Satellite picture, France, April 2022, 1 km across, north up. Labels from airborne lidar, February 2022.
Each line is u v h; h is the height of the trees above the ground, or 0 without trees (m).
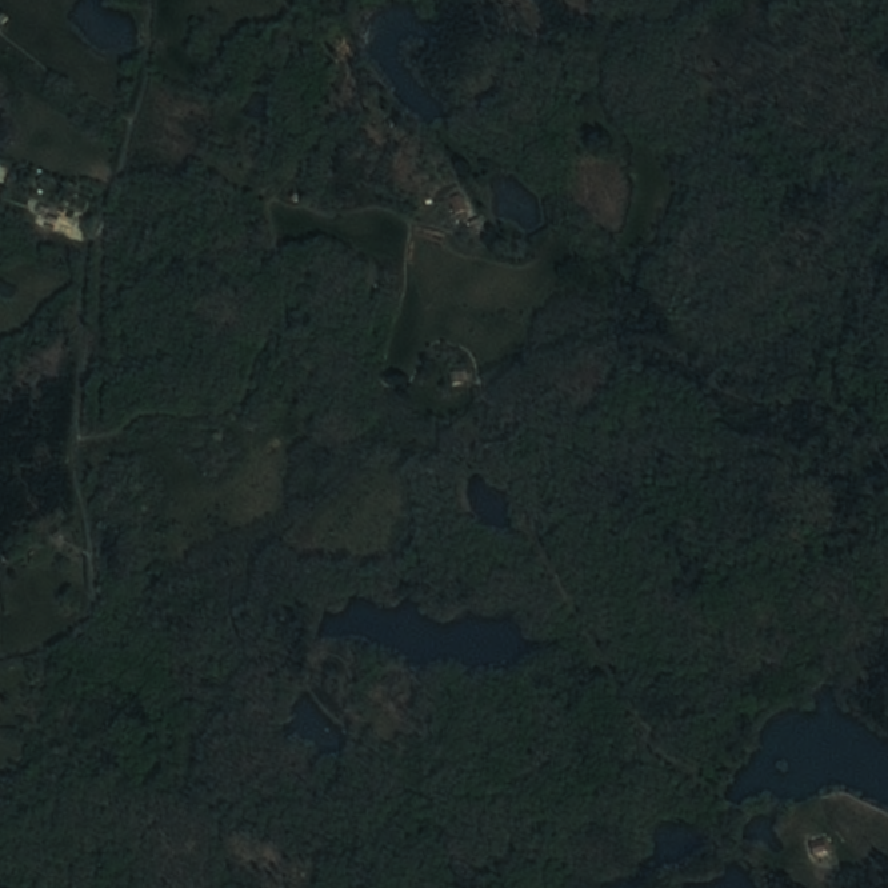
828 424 19
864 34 18
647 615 23
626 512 25
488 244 20
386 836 19
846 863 0
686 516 22
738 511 21
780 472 20
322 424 21
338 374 22
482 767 21
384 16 0
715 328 15
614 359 21
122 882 21
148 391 17
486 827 22
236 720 20
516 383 25
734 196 21
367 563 9
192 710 21
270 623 19
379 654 11
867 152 23
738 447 21
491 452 8
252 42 20
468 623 0
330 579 22
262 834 24
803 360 18
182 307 23
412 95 0
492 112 22
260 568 25
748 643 20
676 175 20
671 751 20
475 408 11
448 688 22
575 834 16
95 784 20
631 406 18
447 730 19
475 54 17
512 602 22
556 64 24
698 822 11
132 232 12
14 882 8
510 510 12
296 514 18
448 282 0
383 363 12
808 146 21
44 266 8
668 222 13
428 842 23
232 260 17
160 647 20
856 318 17
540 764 15
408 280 0
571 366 24
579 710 20
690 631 14
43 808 18
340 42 0
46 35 0
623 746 21
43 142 0
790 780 0
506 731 20
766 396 19
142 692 18
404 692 0
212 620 22
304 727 0
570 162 22
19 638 0
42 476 13
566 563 18
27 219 17
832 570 25
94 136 17
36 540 20
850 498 15
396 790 22
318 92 20
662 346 23
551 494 16
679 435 23
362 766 19
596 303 15
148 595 15
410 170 0
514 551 21
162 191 20
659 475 24
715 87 28
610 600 18
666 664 22
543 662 21
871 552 13
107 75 0
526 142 20
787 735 0
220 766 16
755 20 0
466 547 20
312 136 25
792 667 13
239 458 7
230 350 21
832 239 24
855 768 0
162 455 0
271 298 23
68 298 13
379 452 19
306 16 14
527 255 15
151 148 0
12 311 0
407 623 0
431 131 22
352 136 13
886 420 23
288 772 15
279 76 21
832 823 0
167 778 24
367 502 0
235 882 10
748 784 0
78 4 0
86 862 21
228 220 13
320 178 19
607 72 23
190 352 19
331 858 19
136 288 21
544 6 23
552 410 22
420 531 23
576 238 22
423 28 0
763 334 24
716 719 22
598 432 21
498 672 18
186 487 0
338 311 21
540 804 26
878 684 20
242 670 12
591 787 20
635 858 21
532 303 0
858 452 26
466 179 9
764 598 26
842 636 19
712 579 24
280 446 0
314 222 0
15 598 0
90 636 22
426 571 19
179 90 9
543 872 18
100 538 15
